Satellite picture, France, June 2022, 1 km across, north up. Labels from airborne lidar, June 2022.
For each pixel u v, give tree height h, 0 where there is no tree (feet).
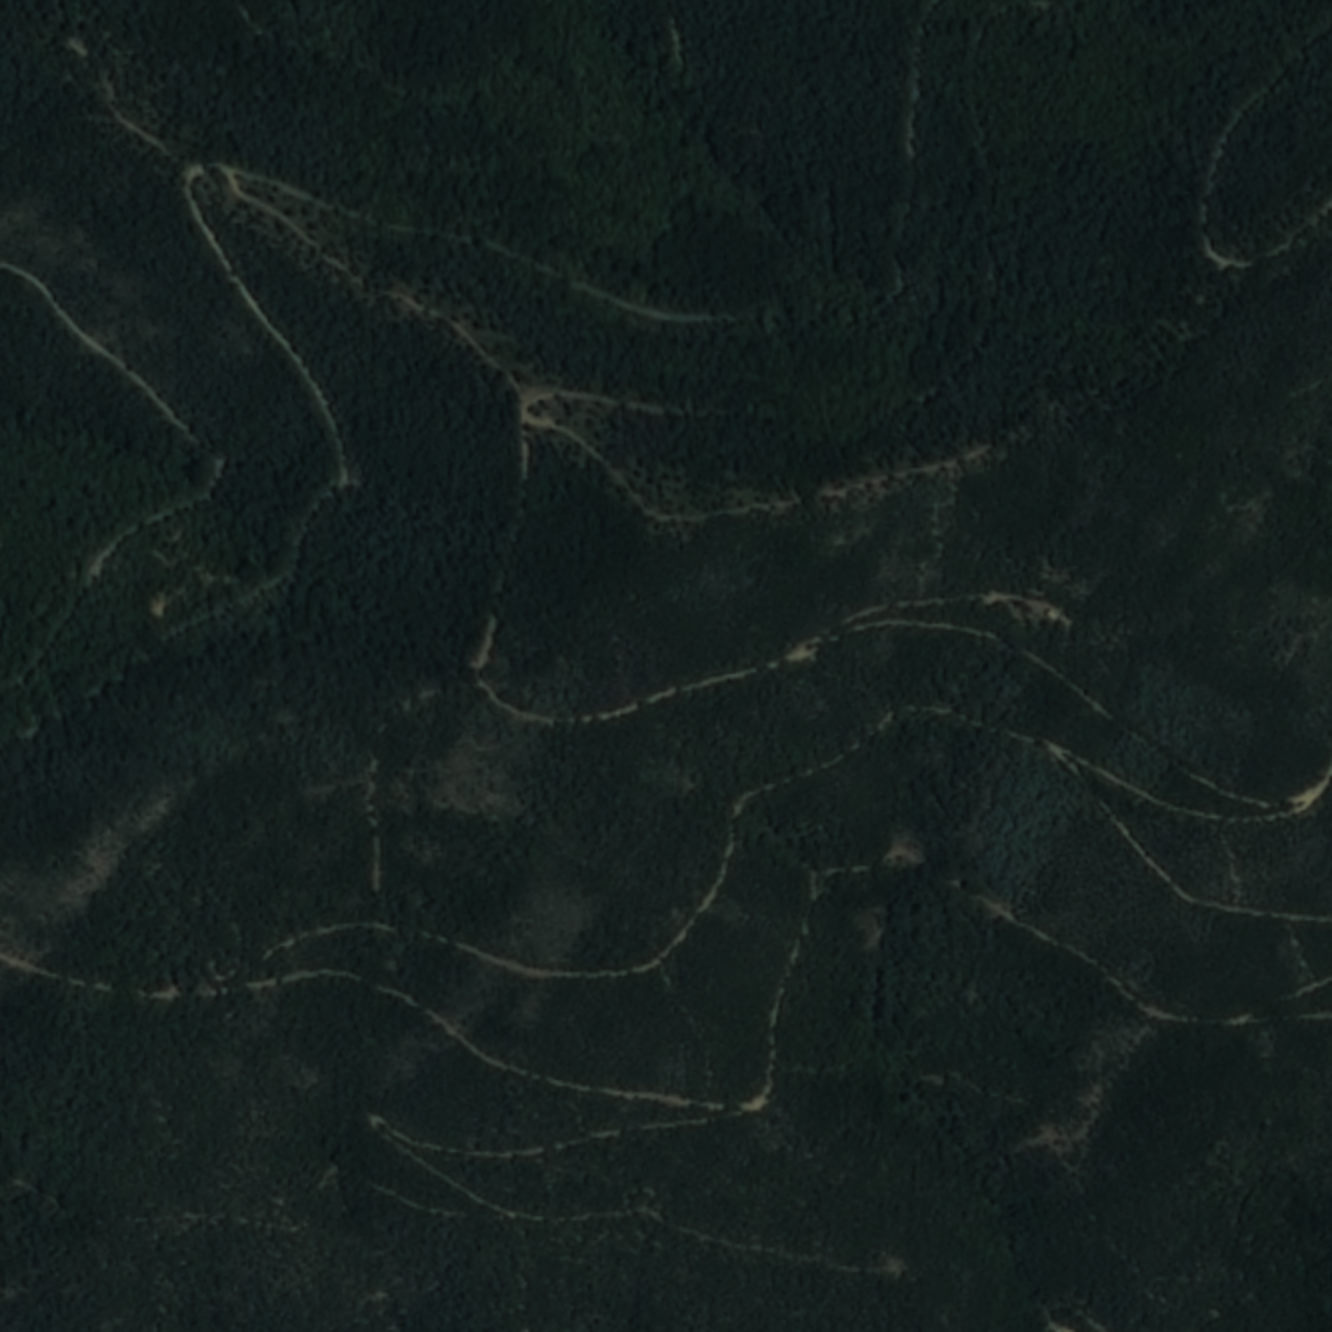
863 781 20
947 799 37
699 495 25
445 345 25
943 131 44
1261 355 40
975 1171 24
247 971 37
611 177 44
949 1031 19
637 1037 18
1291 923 20
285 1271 30
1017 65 47
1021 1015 49
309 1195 40
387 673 31
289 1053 36
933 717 43
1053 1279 31
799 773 48
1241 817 23
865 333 44
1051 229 52
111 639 44
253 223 26
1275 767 19
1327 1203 49
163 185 33
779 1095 30
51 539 25
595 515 31
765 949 26
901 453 29
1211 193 29
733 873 17
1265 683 19
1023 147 41
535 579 31
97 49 30
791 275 32
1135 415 45
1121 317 57
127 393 22
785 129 26
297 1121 20
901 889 31
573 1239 23
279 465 34
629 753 21
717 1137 20
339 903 35
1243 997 19
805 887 22
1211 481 21
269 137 57
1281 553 19
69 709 34
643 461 34
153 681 32
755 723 38
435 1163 25
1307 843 28
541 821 21
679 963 21
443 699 21
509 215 60
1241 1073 20
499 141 48
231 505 34
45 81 34
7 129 29
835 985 23
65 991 30
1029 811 33
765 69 38
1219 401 40
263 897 25
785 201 53
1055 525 24
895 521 17
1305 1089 23
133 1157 33
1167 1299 22
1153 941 19
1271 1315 34
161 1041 38
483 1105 21
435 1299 28
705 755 28
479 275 32
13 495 29
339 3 53
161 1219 34
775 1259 31
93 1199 41
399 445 28
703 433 33
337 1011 22
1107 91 52
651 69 48
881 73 33
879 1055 49
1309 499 35
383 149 39
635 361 43
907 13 40
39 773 48
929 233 41
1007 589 32
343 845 17
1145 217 42
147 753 22
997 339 53
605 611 29
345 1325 21
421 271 44
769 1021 29
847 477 26
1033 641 44
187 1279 32
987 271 54
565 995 18
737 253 41
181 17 28
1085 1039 22
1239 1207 23
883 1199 24
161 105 38
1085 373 23
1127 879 21
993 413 48
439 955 21
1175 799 28
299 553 36
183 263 22
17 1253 19
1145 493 20
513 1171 26
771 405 32
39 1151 23
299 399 32
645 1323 24
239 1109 35
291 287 23
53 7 37
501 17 45
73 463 29
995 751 41
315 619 50
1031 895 39
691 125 23
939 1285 17
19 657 34
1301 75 28
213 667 39
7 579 34
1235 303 34
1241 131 27
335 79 35
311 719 29
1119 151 37
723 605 22
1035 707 30
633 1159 28
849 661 26
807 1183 23
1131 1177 19
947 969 19
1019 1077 27
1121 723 23
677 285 42
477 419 43
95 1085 38
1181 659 20
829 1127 26
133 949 34
